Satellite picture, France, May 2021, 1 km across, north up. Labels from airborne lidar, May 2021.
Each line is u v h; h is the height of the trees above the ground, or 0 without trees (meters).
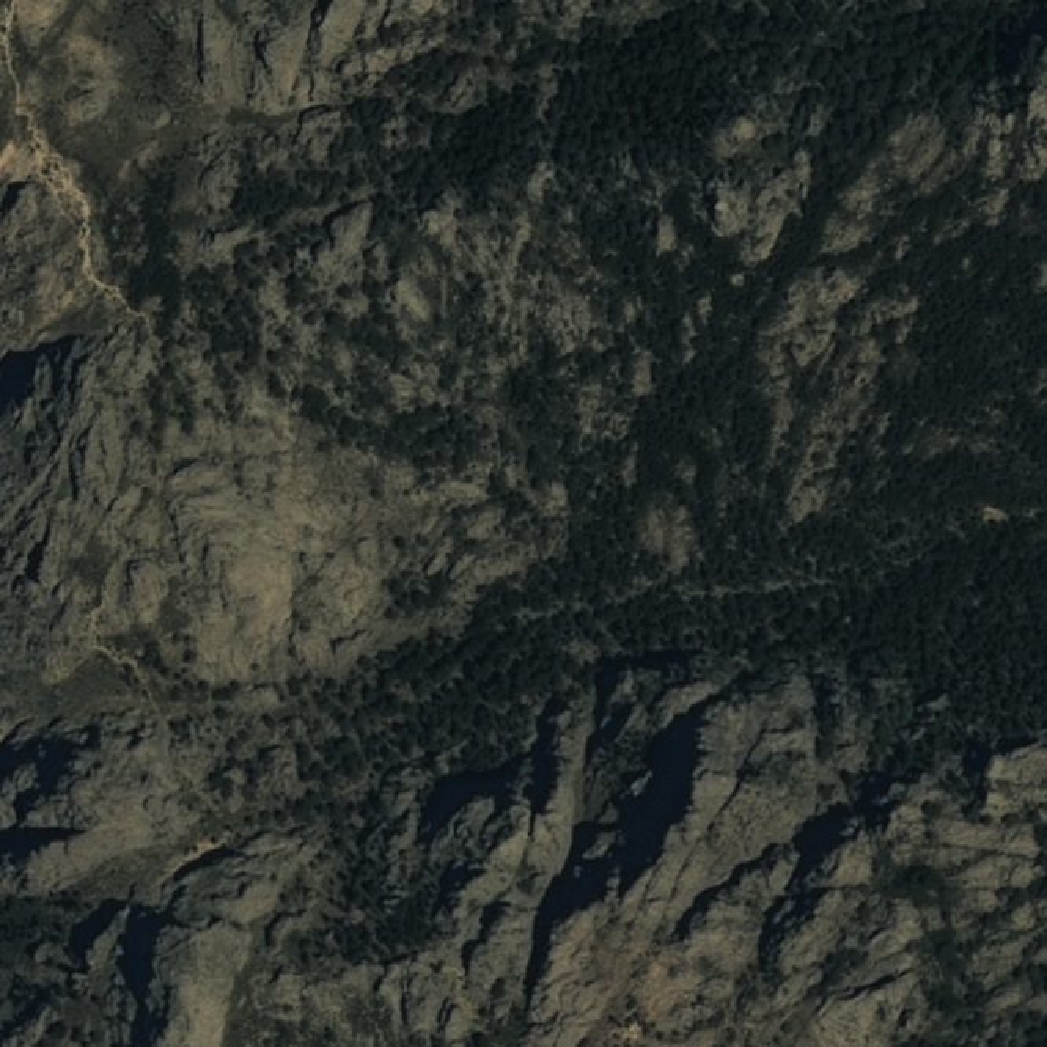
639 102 26
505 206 13
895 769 25
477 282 20
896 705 9
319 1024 0
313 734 12
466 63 28
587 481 11
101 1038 11
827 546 19
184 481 0
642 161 20
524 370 14
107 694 0
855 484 9
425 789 11
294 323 0
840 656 16
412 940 9
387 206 19
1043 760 0
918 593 21
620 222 18
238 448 0
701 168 17
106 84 0
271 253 11
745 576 17
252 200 18
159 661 10
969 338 16
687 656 43
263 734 0
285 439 0
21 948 0
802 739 0
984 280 14
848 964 8
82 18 0
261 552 0
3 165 0
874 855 12
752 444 15
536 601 13
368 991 0
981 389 9
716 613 24
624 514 22
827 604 18
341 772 11
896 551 8
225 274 10
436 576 10
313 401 23
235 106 7
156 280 8
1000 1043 13
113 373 0
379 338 17
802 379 11
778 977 7
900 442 15
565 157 22
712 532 21
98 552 0
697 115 7
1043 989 16
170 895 0
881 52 25
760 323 20
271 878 9
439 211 7
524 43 7
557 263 12
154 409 10
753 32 27
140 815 0
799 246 18
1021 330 14
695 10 25
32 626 0
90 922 0
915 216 13
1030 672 20
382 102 20
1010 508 24
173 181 7
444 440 19
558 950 0
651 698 10
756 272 15
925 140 6
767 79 24
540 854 0
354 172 16
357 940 13
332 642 7
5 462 0
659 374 29
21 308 0
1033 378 18
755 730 0
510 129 20
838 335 21
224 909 0
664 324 13
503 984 9
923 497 12
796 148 11
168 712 0
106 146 0
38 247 0
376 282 12
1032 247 19
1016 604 16
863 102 26
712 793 0
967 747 18
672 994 0
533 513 9
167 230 7
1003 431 17
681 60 25
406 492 6
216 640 0
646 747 8
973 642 21
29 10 0
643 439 14
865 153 13
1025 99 17
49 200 0
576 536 16
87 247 0
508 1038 0
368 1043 0
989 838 0
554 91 0
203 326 10
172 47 8
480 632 21
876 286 11
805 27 26
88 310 0
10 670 0
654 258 17
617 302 15
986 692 22
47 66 0
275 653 0
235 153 7
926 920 6
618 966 0
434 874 14
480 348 19
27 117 0
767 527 19
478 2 18
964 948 12
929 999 11
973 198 8
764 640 21
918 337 18
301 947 7
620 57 28
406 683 19
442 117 17
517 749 10
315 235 12
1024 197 17
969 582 19
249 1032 0
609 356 18
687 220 11
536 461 22
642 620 16
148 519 0
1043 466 21
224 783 11
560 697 22
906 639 23
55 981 0
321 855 11
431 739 20
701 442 13
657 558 12
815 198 16
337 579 0
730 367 12
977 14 27
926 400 21
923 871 20
